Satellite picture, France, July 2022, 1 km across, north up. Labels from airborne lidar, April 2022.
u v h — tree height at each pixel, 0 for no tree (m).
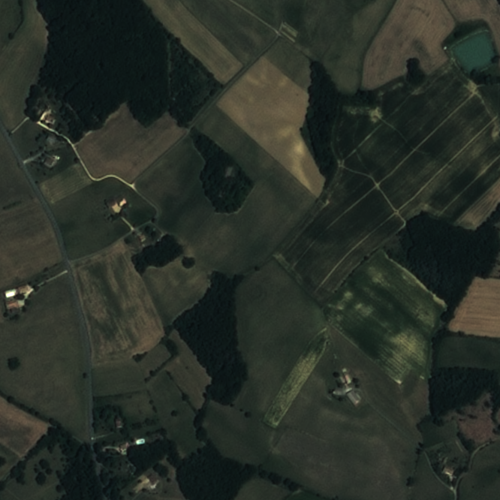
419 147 0
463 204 0
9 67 0
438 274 17
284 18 0
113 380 0
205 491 15
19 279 0
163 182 0
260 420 0
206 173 14
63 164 0
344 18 0
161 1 0
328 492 0
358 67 0
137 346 0
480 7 0
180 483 13
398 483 0
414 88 0
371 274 0
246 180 10
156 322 0
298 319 0
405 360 0
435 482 0
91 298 0
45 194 0
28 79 0
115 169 0
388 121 0
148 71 14
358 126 0
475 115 0
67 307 0
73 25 24
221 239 0
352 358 0
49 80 11
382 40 0
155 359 0
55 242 0
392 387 0
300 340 0
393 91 0
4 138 0
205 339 17
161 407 0
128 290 0
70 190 0
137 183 0
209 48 0
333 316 0
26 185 0
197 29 0
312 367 0
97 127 15
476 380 14
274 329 0
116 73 19
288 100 0
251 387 0
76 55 21
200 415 9
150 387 0
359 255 0
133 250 0
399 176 0
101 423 0
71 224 0
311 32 0
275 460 0
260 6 0
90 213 0
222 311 19
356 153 0
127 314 0
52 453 9
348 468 0
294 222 0
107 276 0
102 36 21
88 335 0
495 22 0
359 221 0
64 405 0
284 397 0
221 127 0
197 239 0
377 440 0
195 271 0
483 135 0
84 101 20
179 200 0
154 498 0
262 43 0
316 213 0
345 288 0
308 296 0
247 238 0
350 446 0
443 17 0
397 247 0
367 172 0
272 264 0
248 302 0
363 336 0
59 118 0
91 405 0
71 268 0
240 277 12
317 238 0
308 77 0
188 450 0
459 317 0
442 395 17
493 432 18
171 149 0
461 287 23
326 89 19
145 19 22
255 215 0
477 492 0
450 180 0
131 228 0
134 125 0
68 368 0
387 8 0
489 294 0
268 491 0
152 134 0
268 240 0
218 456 13
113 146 0
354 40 0
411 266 8
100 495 19
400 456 0
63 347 0
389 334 0
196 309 14
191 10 0
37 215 0
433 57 0
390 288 0
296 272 0
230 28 0
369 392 0
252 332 0
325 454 0
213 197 10
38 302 0
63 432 11
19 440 0
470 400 20
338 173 0
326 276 0
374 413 0
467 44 0
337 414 0
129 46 20
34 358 0
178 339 0
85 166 0
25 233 0
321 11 0
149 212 0
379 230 0
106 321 0
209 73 10
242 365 17
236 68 0
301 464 0
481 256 21
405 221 0
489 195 0
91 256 0
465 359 0
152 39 13
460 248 19
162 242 16
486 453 0
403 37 0
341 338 0
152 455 18
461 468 6
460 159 0
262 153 0
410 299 0
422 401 0
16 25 0
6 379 0
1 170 0
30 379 0
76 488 20
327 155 9
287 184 0
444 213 0
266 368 0
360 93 7
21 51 0
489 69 0
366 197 0
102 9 18
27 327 0
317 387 0
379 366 0
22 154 0
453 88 0
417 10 0
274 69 0
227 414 0
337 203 0
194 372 0
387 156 0
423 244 15
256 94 0
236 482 15
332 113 17
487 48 0
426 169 0
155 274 0
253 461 0
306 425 0
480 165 0
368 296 0
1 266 0
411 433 0
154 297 0
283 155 0
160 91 14
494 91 0
